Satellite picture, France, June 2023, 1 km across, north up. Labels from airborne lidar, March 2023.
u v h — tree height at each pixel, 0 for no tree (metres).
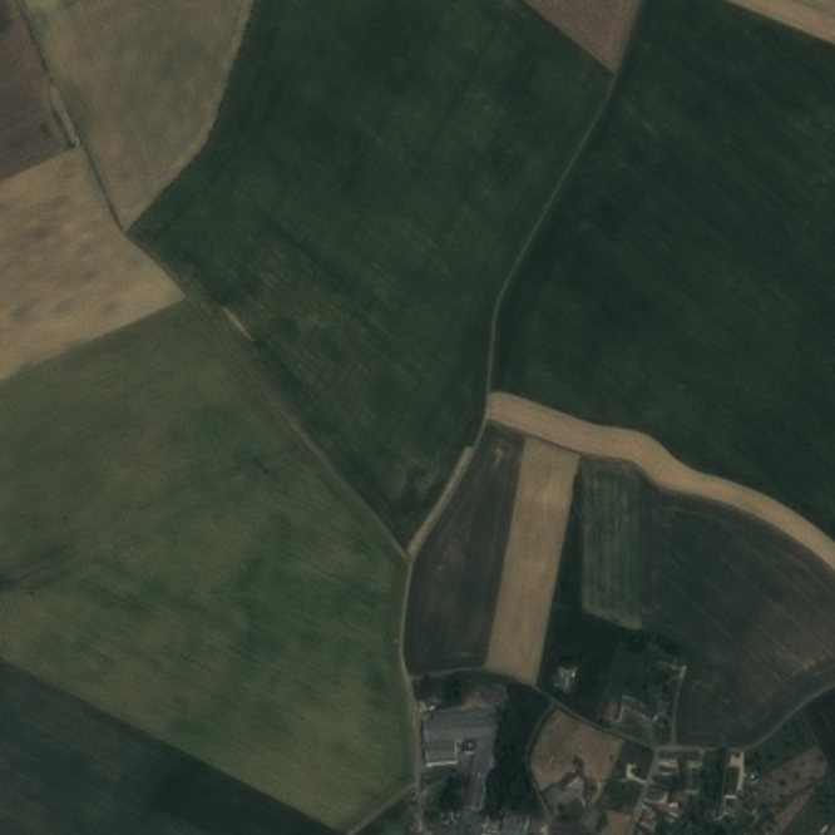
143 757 0
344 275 0
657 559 0
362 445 0
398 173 0
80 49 0
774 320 0
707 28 0
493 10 0
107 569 0
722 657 0
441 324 0
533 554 0
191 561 0
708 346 0
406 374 0
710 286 0
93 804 0
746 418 0
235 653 0
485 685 0
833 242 0
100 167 0
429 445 0
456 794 14
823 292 0
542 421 0
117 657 0
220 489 0
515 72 0
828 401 0
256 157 0
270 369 0
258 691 0
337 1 0
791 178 0
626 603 0
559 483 0
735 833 7
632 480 0
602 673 6
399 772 0
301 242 0
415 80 0
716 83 0
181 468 0
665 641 12
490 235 0
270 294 0
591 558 0
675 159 0
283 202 0
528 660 0
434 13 0
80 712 0
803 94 0
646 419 0
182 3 0
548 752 0
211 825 0
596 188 0
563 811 14
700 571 0
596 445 0
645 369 0
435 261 0
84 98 0
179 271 0
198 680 0
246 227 0
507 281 0
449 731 0
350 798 0
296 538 0
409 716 0
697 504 0
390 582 0
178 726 0
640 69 0
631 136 0
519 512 0
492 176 0
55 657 0
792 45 0
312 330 0
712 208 0
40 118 0
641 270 0
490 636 0
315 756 0
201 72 0
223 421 0
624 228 0
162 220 0
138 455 0
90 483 0
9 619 0
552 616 0
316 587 0
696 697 0
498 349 0
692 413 0
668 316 0
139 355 0
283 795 0
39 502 0
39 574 0
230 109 0
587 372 0
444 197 0
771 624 0
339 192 0
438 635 0
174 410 0
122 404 0
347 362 0
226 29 0
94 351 0
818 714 0
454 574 0
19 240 0
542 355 0
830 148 0
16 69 0
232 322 0
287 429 0
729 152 0
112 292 0
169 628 0
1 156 0
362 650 0
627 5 0
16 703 0
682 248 0
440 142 0
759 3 0
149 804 0
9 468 0
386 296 0
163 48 0
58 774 0
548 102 0
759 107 0
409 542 0
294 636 0
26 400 0
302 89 0
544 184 0
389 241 0
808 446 0
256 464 0
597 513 0
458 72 0
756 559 0
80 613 0
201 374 0
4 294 0
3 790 0
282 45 0
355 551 0
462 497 0
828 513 0
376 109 0
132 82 0
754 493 0
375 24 0
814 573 0
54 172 0
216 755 0
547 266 0
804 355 0
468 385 0
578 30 0
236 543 0
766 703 0
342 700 0
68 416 0
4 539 0
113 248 0
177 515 0
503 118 0
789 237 0
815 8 0
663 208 0
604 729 12
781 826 0
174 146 0
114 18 0
